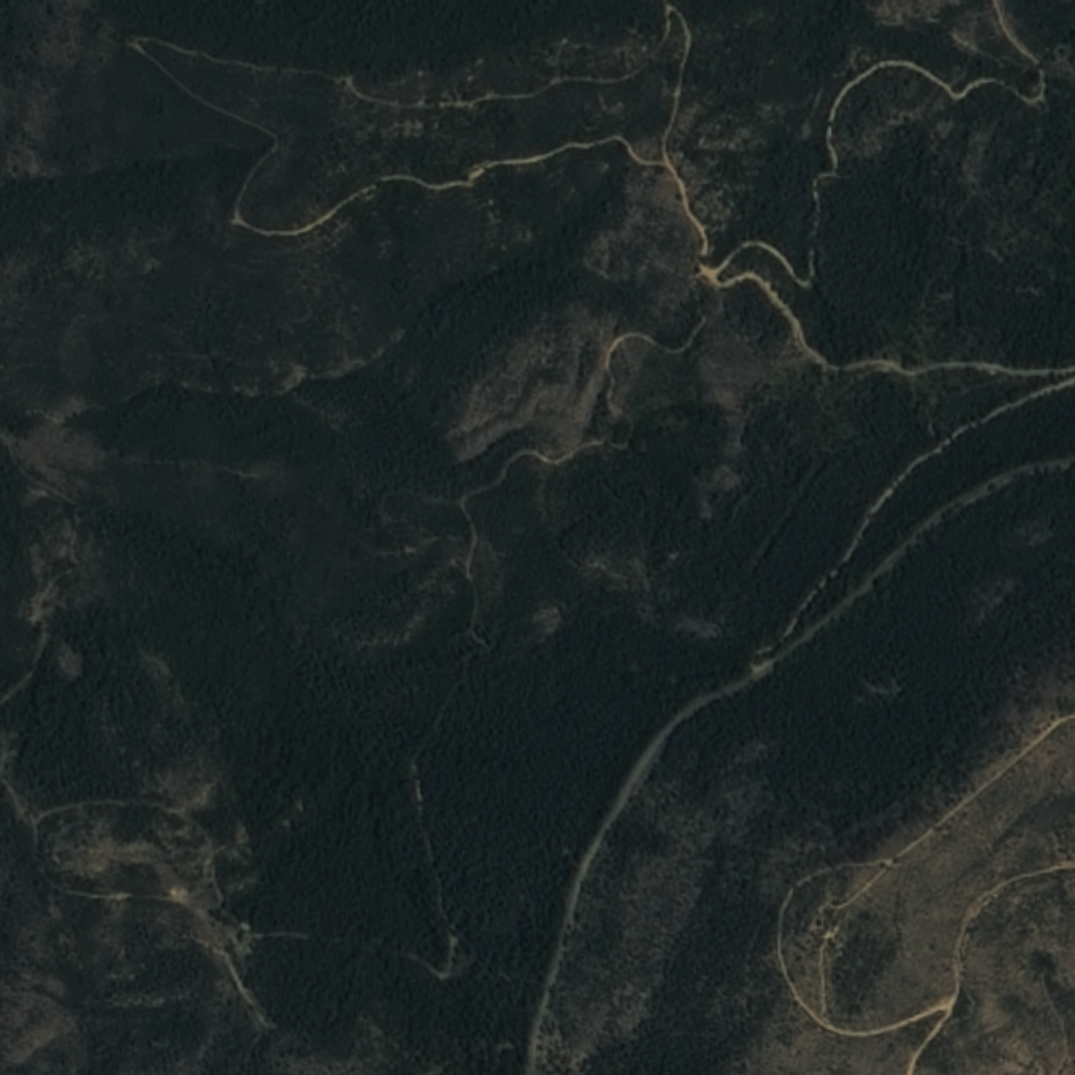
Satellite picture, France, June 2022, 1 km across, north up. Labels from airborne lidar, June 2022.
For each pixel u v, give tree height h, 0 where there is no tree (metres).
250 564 7
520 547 6
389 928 13
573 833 10
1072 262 10
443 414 9
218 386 6
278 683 7
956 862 0
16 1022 0
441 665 12
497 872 9
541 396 0
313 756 11
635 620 8
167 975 9
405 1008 7
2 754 7
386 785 12
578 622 8
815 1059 0
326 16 11
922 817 8
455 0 6
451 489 9
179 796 0
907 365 9
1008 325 11
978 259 9
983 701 8
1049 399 9
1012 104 10
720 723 12
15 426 7
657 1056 9
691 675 13
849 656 7
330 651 6
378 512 12
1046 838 0
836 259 8
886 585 10
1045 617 9
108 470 0
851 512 12
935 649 10
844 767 8
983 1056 0
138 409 12
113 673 9
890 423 13
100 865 0
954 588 9
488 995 9
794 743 8
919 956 0
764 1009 6
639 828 7
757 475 9
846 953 6
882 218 11
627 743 11
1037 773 0
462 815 13
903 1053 0
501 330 8
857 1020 0
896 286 7
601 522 11
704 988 6
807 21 8
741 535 10
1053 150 12
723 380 0
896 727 11
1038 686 6
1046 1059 0
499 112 8
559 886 11
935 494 10
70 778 7
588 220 6
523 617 6
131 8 7
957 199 11
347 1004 10
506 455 9
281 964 8
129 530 12
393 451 11
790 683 12
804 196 9
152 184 8
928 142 7
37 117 0
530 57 6
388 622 9
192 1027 6
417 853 11
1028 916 0
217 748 6
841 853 7
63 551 0
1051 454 7
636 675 11
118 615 8
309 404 8
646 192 0
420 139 8
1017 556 6
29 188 8
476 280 6
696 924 7
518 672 9
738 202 8
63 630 6
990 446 10
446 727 11
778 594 10
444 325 10
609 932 7
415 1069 9
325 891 11
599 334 0
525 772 15
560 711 8
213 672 6
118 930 0
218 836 5
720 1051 8
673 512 11
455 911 10
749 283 7
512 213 10
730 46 9
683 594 7
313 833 13
